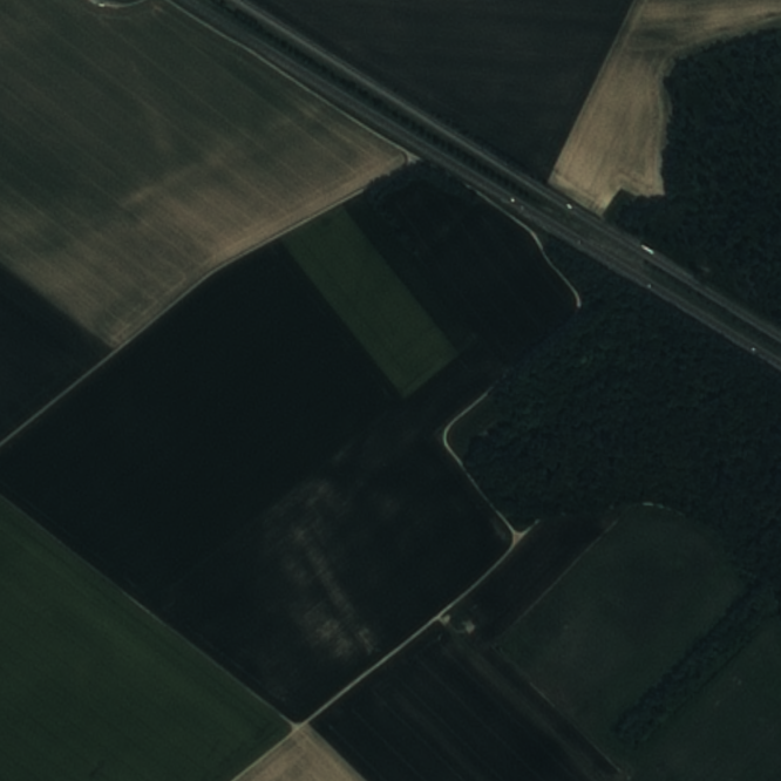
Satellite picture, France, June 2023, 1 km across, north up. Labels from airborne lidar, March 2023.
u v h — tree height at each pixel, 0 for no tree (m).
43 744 0
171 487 0
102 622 0
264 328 0
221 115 0
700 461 24
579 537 0
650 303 17
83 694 0
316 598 0
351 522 0
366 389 0
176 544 0
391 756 0
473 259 0
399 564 0
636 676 0
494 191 0
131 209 0
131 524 0
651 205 15
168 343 0
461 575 0
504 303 0
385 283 0
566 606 0
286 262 0
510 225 0
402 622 0
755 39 13
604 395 22
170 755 0
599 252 0
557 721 0
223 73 0
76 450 0
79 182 0
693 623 0
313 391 0
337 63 0
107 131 0
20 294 0
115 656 0
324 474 0
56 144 0
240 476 0
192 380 0
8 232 0
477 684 0
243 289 0
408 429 0
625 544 0
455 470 0
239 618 0
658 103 0
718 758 0
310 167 0
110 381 0
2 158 0
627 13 0
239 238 0
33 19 0
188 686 0
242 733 0
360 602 0
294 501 0
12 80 0
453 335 0
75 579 0
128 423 0
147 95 0
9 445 0
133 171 0
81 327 0
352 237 0
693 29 0
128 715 0
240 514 0
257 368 0
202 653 0
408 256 0
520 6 0
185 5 0
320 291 0
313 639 0
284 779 0
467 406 0
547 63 0
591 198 0
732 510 21
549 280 0
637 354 20
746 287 17
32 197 0
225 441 0
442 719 0
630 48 0
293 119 0
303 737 0
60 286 0
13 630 0
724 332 0
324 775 0
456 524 0
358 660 0
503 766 0
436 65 0
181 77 0
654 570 0
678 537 0
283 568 0
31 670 0
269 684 0
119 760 0
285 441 0
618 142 0
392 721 0
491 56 0
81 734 0
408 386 0
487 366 0
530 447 21
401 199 0
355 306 0
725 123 21
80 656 0
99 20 0
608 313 11
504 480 20
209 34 0
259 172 0
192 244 0
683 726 0
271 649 0
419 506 0
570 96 0
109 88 0
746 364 18
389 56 0
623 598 0
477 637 0
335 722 0
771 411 22
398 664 0
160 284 0
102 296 0
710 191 16
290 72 0
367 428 0
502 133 0
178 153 0
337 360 0
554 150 0
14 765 0
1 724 0
